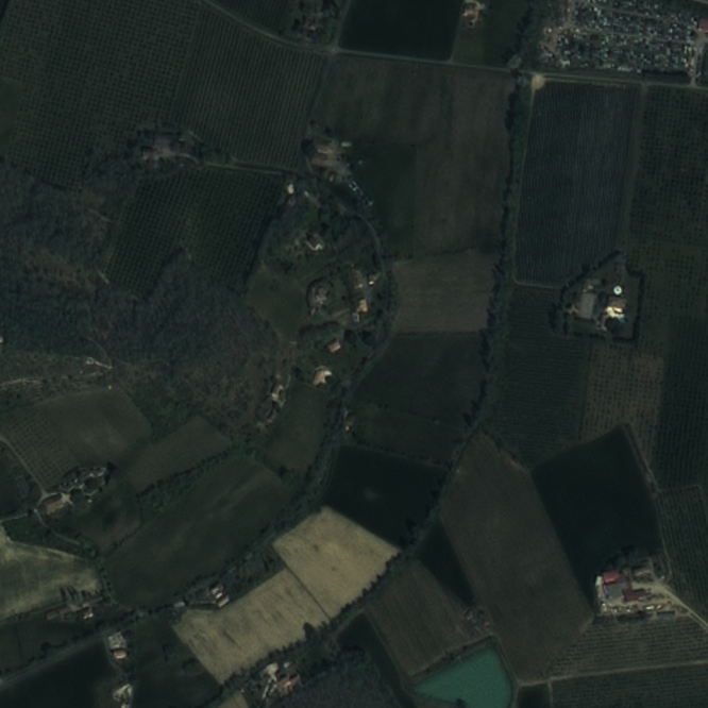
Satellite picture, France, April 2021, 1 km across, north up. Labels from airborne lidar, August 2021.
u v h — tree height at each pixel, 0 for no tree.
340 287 0
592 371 0
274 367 15
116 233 7
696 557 5
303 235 6
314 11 9
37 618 0
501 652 0
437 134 0
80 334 9
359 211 11
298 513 16
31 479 8
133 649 9
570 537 0
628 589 0
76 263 14
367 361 12
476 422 17
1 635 0
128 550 0
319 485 9
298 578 0
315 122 7
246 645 0
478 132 0
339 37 0
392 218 0
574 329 0
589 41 0
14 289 17
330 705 17
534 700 0
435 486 0
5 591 0
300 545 0
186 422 13
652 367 0
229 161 13
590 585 0
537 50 16
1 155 0
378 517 0
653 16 0
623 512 0
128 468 0
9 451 7
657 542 0
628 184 0
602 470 0
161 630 0
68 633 0
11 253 18
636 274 8
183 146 14
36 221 17
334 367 0
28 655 0
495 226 0
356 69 0
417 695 0
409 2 0
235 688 17
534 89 6
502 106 0
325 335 20
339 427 10
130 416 0
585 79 0
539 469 0
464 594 0
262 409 8
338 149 0
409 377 0
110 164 16
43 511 12
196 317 23
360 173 0
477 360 0
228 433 17
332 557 0
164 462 0
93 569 0
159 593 0
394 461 0
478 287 0
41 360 6
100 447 0
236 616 0
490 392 20
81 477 13
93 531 0
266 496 0
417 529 24
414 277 0
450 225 0
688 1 10
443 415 0
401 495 0
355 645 0
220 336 18
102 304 6
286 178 12
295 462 0
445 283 0
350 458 0
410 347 0
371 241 17
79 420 0
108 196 10
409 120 0
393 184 0
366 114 0
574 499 0
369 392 0
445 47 0
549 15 18
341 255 15
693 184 6
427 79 0
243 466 0
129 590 0
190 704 0
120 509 0
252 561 9
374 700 20
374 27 0
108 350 6
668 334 0
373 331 7
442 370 0
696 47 0
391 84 0
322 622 0
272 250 19
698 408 6
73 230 9
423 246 0
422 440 0
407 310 0
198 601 7
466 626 0
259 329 24
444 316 0
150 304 15
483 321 0
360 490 0
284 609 0
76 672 0
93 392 0
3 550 0
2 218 19
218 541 0
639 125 0
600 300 7
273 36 0
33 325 20
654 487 0
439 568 0
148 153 0
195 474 13
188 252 12
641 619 8
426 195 0
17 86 0
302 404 0
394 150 0
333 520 0
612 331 12
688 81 14
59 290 11
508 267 16
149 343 11
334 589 0
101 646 0
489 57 0
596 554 0
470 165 0
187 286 21
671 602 0
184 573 0
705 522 5
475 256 0
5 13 9
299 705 13
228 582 16
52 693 0
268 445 0
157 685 0
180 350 19
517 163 10
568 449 0
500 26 0
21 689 0
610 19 13
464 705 13
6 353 11
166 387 9
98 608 12
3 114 0
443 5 0
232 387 7
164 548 0
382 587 8
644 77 13
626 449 0
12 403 8
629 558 17
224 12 0
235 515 0
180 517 0
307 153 15
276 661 15
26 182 19
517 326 5
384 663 0
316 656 0
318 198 19
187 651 0
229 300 22
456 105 0
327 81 0
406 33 0
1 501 0
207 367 11
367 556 0
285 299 0
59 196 22
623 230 0
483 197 0
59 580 0
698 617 0
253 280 10
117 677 7
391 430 0
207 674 0
